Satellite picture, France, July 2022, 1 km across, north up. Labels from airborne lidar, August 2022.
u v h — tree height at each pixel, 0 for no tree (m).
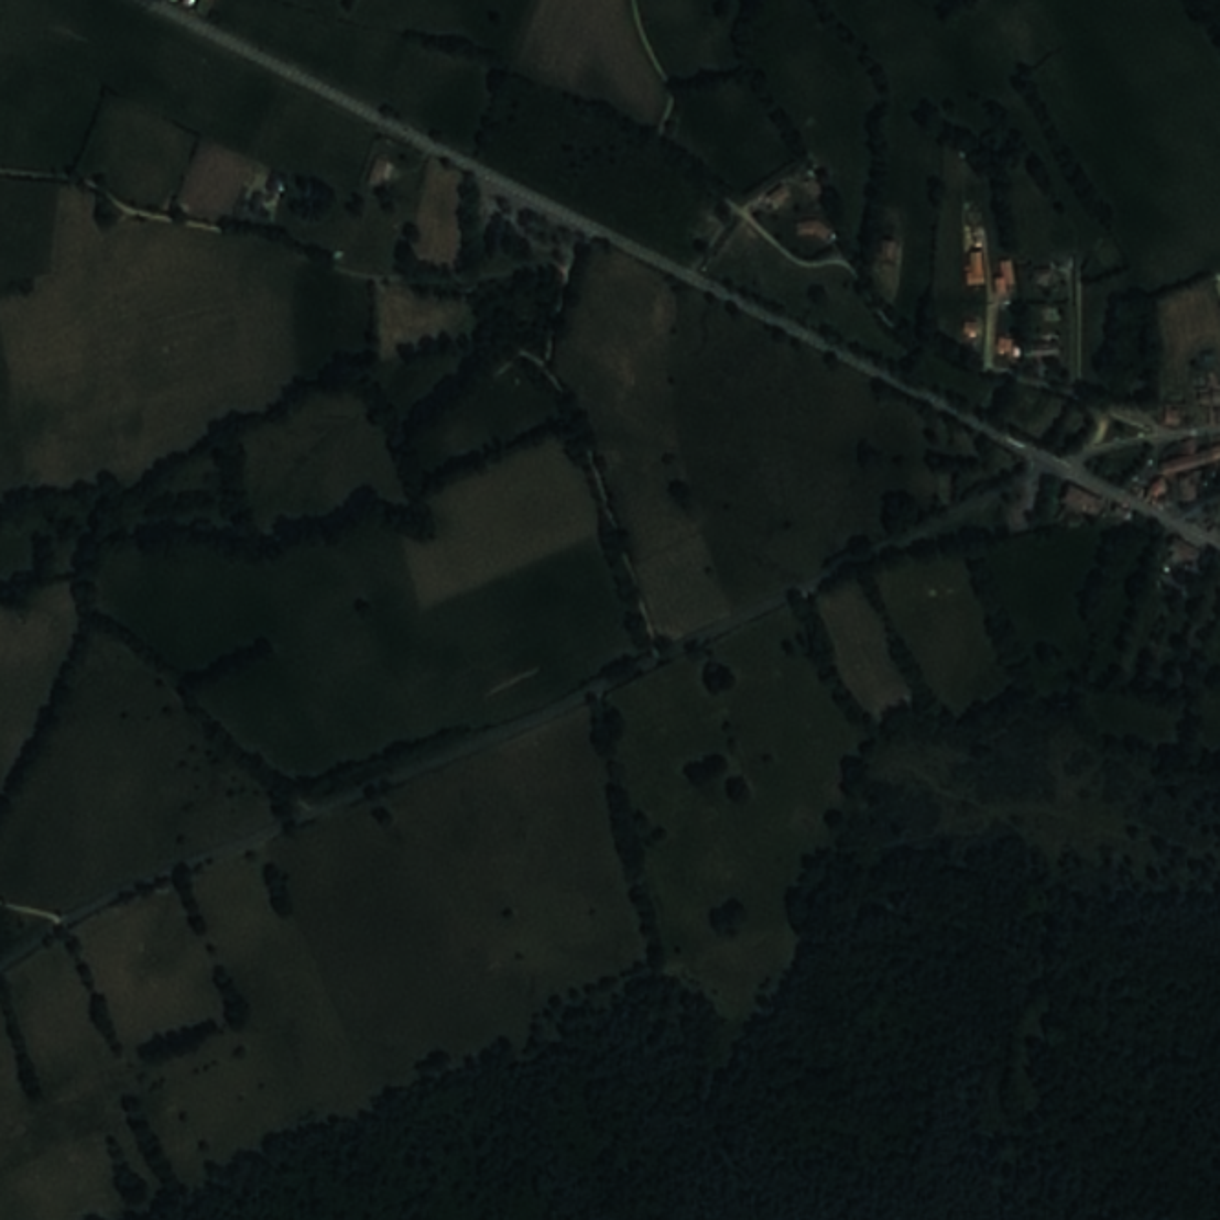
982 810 0
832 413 0
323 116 0
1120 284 0
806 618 17
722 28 0
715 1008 16
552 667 0
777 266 0
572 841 0
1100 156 0
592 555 0
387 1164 15
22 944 0
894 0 0
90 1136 0
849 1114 12
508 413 0
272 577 0
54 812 0
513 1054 12
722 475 0
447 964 0
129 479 0
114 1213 0
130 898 8
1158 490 0
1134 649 14
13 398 0
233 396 0
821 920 16
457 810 0
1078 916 10
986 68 0
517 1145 11
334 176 0
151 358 0
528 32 0
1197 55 0
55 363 0
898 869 17
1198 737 21
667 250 0
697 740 0
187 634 0
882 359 16
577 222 0
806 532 0
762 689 0
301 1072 0
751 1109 13
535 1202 6
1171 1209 23
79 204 0
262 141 0
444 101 0
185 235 0
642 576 0
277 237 15
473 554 0
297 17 0
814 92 0
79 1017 0
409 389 0
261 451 0
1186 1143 19
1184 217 0
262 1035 0
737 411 0
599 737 13
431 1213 12
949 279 0
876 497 0
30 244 0
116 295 0
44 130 0
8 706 0
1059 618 0
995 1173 20
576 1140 6
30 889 0
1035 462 0
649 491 0
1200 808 17
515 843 0
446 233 0
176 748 0
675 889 0
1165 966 15
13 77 0
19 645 0
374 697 0
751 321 0
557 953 0
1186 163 0
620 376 0
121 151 0
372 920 0
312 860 0
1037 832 0
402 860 0
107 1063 0
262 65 0
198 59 0
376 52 0
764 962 0
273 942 0
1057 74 0
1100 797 0
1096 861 0
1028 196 0
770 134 0
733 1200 23
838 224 14
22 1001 0
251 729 0
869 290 12
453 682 0
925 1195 21
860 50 7
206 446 12
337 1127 12
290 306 0
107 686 0
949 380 0
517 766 0
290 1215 8
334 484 0
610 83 0
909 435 0
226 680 12
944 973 13
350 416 0
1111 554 19
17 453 0
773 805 0
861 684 0
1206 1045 12
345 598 0
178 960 0
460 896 0
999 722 8
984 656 0
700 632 0
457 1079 9
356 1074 0
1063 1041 18
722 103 0
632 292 0
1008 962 15
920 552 18
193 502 7
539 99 0
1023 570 0
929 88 0
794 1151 15
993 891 15
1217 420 0
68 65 0
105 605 0
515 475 0
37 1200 0
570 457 13
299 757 0
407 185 0
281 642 0
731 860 0
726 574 0
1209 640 15
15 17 0
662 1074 15
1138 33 0
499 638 0
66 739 0
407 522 22
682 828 0
